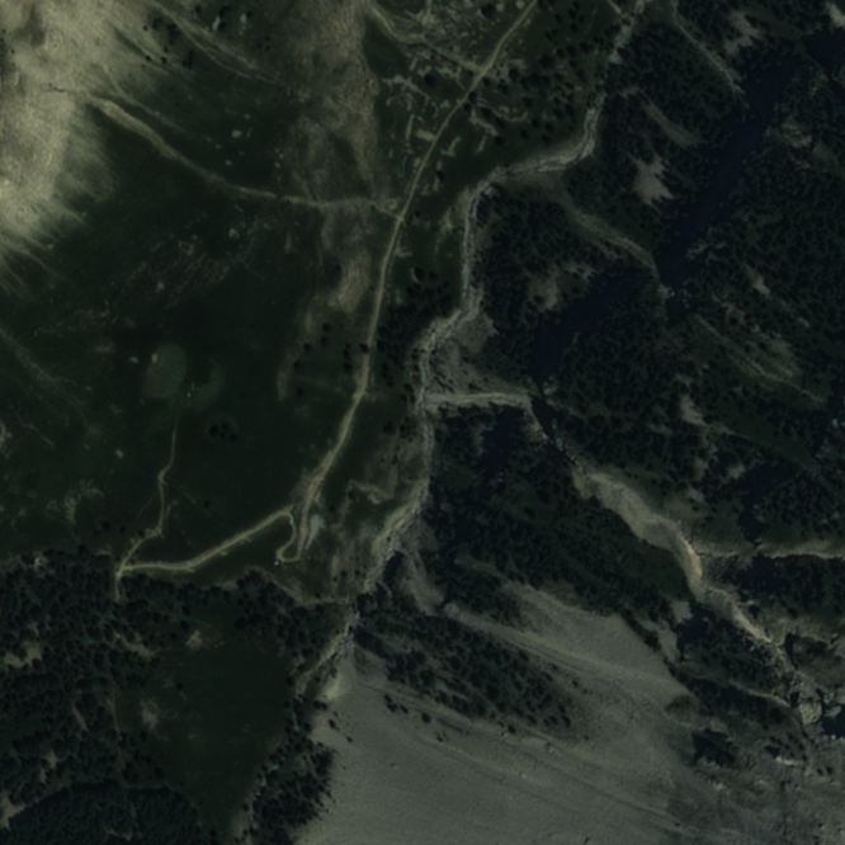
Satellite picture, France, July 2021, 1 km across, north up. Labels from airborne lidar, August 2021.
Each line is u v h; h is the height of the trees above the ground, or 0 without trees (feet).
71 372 0
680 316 54
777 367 0
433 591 0
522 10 0
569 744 0
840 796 0
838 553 0
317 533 0
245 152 0
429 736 0
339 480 0
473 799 0
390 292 0
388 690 0
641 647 0
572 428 74
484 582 26
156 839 102
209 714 0
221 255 0
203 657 0
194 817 74
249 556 0
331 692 0
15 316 0
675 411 65
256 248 0
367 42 0
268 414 0
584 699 0
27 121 0
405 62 0
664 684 0
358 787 0
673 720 0
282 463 0
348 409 0
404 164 0
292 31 0
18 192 0
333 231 0
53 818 89
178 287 0
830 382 0
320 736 0
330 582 0
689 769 0
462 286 0
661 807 0
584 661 0
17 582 37
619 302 46
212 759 0
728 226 50
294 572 0
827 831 0
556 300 0
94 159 0
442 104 0
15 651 45
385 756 0
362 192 0
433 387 0
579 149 0
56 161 0
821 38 0
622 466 43
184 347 0
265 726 0
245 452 0
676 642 0
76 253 0
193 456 0
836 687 0
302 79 0
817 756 0
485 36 0
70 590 46
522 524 26
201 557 0
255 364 0
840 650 0
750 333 31
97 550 0
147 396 0
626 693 0
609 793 0
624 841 0
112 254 0
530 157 0
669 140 82
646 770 0
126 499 0
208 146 0
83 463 0
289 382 0
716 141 57
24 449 0
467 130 0
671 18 0
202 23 0
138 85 0
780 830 0
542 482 53
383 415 0
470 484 0
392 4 0
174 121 0
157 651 0
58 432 0
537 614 0
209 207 0
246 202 0
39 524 0
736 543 0
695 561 0
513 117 0
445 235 0
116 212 0
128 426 0
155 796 85
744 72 77
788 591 44
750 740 0
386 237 0
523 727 0
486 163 0
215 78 0
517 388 0
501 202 73
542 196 0
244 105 0
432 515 23
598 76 26
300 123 0
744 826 0
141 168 0
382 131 0
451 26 0
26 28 0
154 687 0
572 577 58
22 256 0
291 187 0
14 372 0
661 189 0
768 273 30
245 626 66
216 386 0
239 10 0
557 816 0
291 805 39
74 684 42
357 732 0
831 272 52
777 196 44
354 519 0
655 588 27
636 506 0
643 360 62
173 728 0
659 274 0
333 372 0
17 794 66
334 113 0
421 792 0
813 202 72
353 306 0
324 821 0
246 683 0
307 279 0
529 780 0
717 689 59
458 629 72
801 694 0
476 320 0
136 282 0
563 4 0
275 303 0
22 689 64
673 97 37
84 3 0
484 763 0
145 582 64
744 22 0
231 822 0
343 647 0
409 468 0
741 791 0
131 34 0
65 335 0
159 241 0
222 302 0
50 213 0
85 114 0
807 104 35
